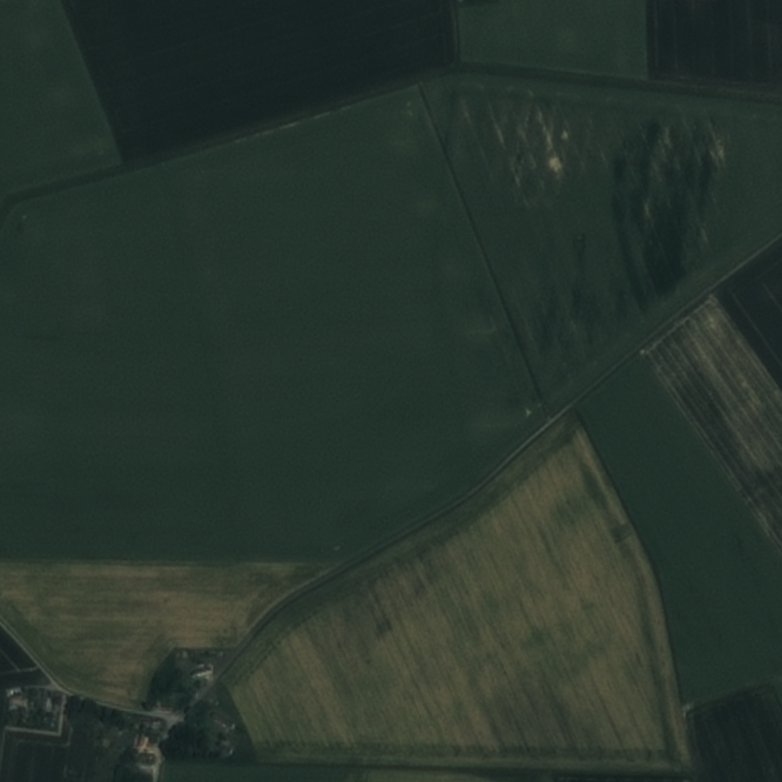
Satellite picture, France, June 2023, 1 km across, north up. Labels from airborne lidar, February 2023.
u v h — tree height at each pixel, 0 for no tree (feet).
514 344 0
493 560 0
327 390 0
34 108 0
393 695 0
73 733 0
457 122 0
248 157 0
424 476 0
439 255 0
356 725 0
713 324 0
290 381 0
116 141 0
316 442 0
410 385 0
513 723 0
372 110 0
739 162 0
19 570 0
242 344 0
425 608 0
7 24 0
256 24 0
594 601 0
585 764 0
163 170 0
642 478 0
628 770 0
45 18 0
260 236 0
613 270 0
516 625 0
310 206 0
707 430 0
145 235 0
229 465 0
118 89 0
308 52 0
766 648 0
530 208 0
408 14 0
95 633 0
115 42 0
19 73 0
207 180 0
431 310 0
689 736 0
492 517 0
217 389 0
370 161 0
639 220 0
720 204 0
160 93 0
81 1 0
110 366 0
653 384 0
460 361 0
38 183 0
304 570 0
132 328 0
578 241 0
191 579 0
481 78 0
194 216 0
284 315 0
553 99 0
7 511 0
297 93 0
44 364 0
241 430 0
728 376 0
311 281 0
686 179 0
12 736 0
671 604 0
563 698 0
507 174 0
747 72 0
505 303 0
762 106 0
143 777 24
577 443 0
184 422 0
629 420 0
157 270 0
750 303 0
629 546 0
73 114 0
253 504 0
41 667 0
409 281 0
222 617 0
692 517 0
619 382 0
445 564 0
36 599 0
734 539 0
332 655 0
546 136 0
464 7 0
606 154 0
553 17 0
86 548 0
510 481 0
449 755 0
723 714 0
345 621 0
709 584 0
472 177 0
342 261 0
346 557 0
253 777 0
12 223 0
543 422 0
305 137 0
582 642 0
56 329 0
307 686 0
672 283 0
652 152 0
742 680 0
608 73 0
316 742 0
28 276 0
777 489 0
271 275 0
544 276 0
